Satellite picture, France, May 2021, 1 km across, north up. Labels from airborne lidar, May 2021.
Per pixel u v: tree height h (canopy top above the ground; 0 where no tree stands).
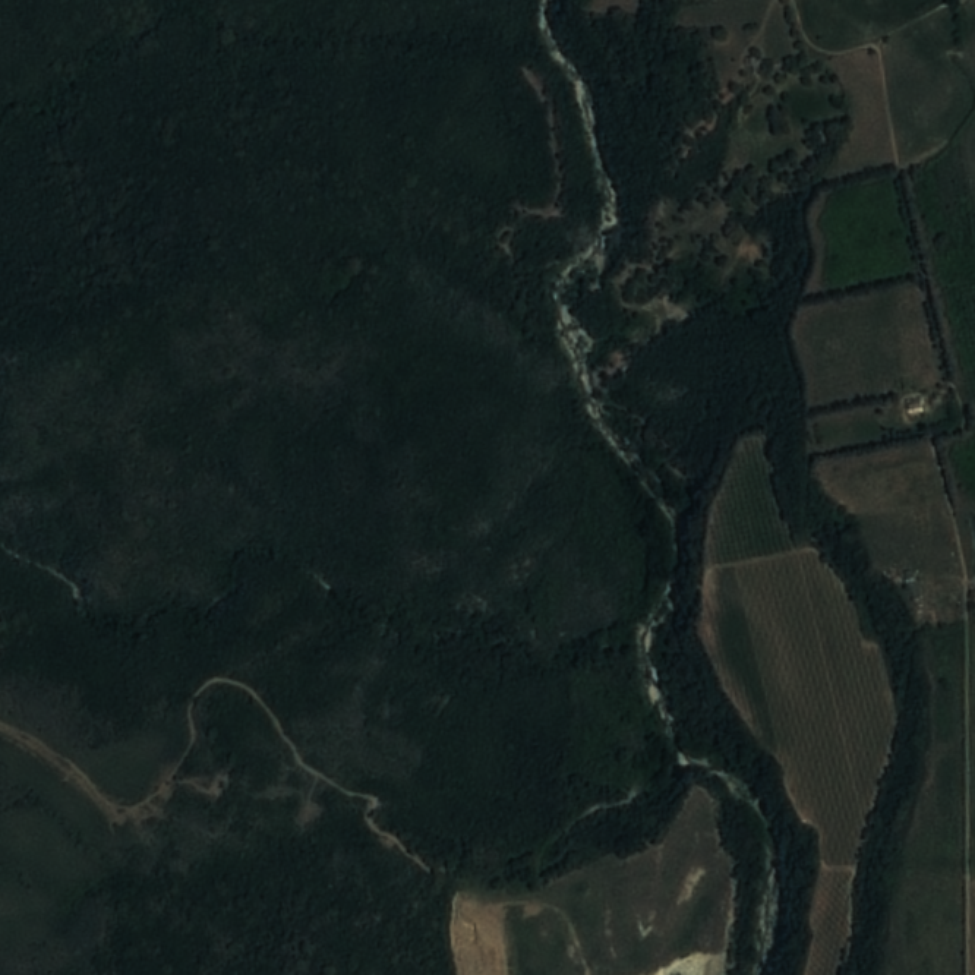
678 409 8
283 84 10
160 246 10
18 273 10
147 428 6
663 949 0
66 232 13
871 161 0
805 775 0
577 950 0
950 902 0
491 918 0
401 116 6
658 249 9
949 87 0
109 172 8
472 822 11
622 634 17
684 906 0
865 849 8
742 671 0
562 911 0
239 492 8
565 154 10
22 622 6
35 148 9
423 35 15
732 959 15
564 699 10
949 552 0
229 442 7
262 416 7
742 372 13
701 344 10
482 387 8
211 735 10
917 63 0
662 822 10
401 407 6
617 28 13
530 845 7
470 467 7
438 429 6
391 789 6
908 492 0
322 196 9
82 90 9
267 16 9
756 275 9
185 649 7
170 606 9
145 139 10
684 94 5
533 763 11
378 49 14
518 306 14
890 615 8
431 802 5
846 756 0
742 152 0
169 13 10
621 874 0
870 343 0
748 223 11
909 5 0
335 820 6
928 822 0
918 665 6
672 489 18
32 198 9
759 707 0
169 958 6
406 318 6
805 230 10
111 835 0
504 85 9
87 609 6
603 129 16
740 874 17
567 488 6
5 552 9
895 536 0
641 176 10
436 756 8
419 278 5
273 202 6
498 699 7
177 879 6
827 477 0
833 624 0
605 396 23
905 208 9
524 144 9
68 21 8
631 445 28
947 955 0
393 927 13
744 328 14
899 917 0
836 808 0
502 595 6
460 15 8
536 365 7
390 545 6
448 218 5
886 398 14
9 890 0
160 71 10
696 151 8
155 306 6
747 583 0
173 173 9
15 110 19
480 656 16
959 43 8
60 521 6
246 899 10
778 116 16
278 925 6
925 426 17
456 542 6
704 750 20
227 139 12
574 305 10
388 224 7
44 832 0
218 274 7
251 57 12
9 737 0
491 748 7
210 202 7
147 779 0
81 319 8
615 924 0
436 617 10
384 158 7
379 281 8
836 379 0
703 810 0
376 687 5
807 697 0
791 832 13
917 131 0
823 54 0
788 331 12
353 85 9
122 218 15
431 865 9
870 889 7
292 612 7
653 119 11
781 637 0
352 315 6
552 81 10
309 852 13
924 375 0
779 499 12
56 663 6
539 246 16
